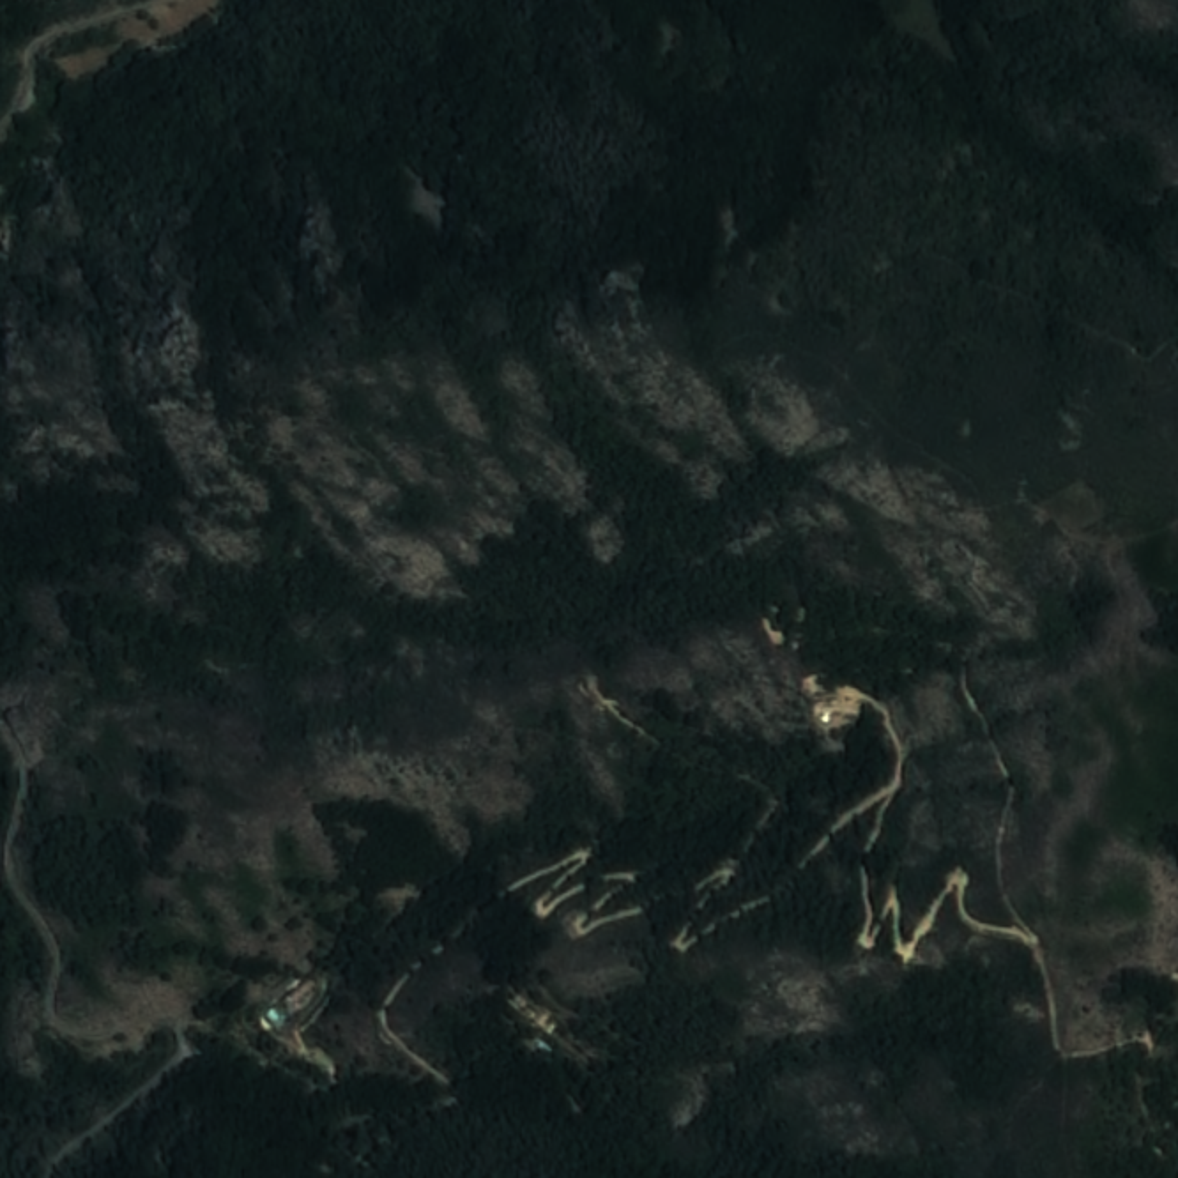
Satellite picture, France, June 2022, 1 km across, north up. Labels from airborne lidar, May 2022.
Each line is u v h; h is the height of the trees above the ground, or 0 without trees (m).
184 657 9
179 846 8
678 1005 19
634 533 15
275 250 9
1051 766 0
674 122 12
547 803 17
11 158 10
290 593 12
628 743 7
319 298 9
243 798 0
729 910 8
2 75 12
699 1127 13
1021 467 0
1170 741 0
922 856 0
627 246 11
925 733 0
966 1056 6
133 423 8
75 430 0
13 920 15
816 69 14
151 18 6
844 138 11
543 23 18
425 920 14
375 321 7
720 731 8
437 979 0
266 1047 12
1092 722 0
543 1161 12
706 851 14
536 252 10
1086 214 9
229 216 19
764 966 0
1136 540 0
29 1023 0
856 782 13
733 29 17
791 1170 16
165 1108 13
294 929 13
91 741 0
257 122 13
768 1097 10
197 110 17
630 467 18
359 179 12
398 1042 0
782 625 13
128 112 14
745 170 12
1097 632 6
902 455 0
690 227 13
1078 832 0
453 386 0
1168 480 0
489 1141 15
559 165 8
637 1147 19
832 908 12
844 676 15
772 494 9
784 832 8
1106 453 0
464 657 0
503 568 16
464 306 8
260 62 15
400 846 16
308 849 0
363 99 11
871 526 0
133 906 11
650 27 13
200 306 10
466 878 22
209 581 11
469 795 0
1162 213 12
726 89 8
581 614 8
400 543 0
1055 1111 0
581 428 15
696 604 12
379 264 8
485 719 0
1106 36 14
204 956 10
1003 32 16
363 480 0
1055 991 0
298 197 9
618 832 18
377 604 11
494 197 13
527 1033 8
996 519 0
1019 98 7
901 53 11
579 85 15
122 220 5
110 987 0
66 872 14
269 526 10
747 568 12
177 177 13
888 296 8
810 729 6
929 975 8
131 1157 16
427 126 13
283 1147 20
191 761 0
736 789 13
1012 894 0
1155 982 15
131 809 0
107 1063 11
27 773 7
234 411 7
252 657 8
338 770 0
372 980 10
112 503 12
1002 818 0
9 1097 19
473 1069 17
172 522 8
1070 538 0
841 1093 0
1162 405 0
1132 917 0
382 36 11
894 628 13
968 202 7
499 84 15
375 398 0
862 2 20
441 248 14
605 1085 14
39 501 15
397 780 7
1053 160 20
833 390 0
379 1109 16
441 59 13
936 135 10
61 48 13
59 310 8
